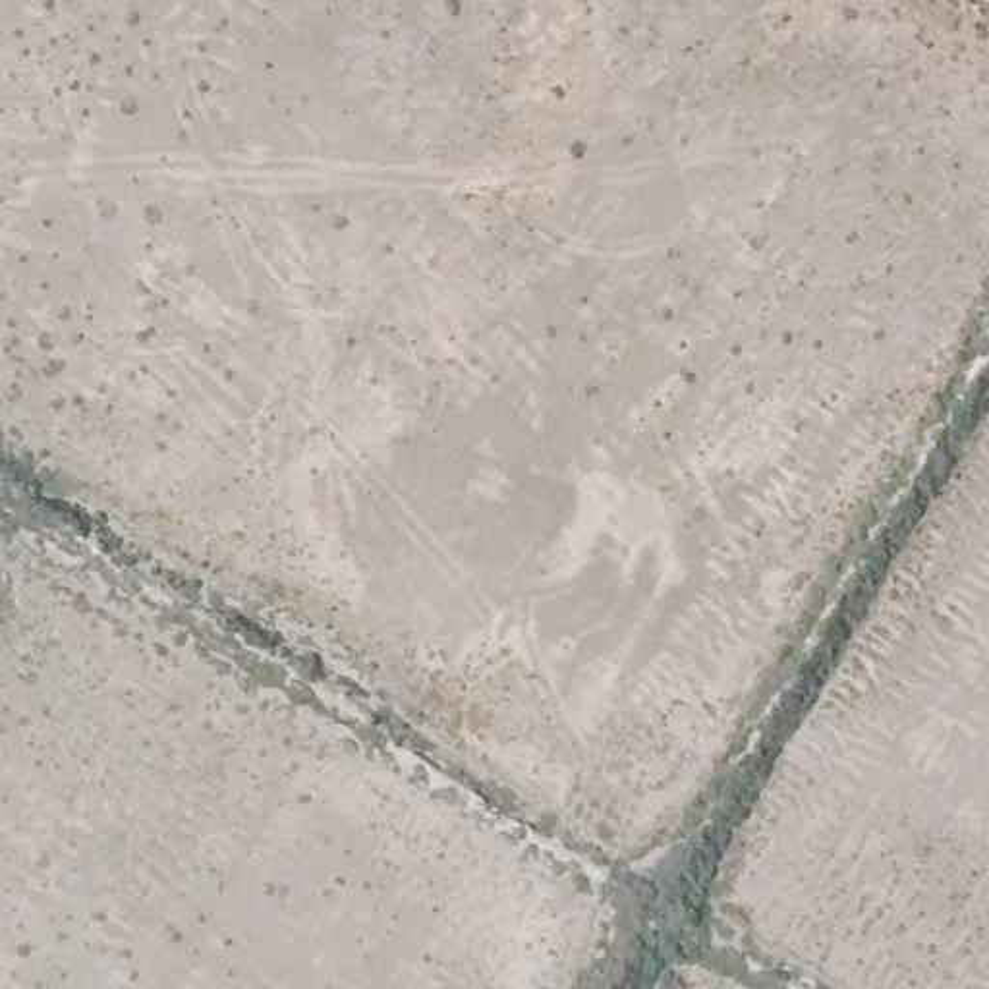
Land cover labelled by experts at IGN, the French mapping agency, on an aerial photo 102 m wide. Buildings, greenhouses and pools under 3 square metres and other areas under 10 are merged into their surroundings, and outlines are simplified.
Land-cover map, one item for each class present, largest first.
<instances>
[{"label":"pervious surface","instance_id":"1","mask_svg":"<svg viewBox=\"0 0 989 989\"><path fill-rule=\"evenodd\" d=\"M989 305V0H0V448L8 456L31 452V464L42 475L50 498H66L89 514H108L112 533L135 545L139 552V564L124 568L112 560V552L97 545V537H85L66 522L35 533L19 529L15 537H0V989H572L579 970L603 958L599 927L614 919V904L603 900L607 869L595 865L587 854L564 850L560 838L549 834L502 842V834L514 831V819L491 811L471 788L444 773L456 761L467 765L479 780L510 788L533 819L552 811L583 842H595L614 858L637 846L641 834L653 827H680L684 807L711 780L715 757L730 742L738 715L749 707L761 672L773 664L780 649L777 626H792L807 603L804 591L792 587V576L819 572L831 552L842 549L850 525L838 518V510L865 502V495L889 475L881 467V452H904L912 425L935 402V390L947 382L966 321ZM158 564L220 591L228 607L259 618L267 630H278L297 653H321L325 668L348 676L340 692L317 684L321 703L363 722H371L375 711H394L402 722H410V730L425 734L437 746V765L429 769V761L413 757V749L402 746H367L363 734L332 726L309 707L290 703V695H282L278 688L247 692L236 676H220L216 668H209L193 645H178L174 626H158V614L174 607V591L155 579ZM746 854L730 896L734 904H746L753 912L757 947L780 958V966L800 970V977H792L788 989H989V429L977 425L970 433L954 479L927 506L919 529L908 537V549L892 560L881 595L869 607V618L854 630L838 668L827 676L815 707L788 738L757 807L738 831ZM676 970L684 974L688 989H742L722 974H711L695 962H680Z\"/></svg>","mask_w":989,"mask_h":989},{"label":"brushwood","instance_id":"2","mask_svg":"<svg viewBox=\"0 0 989 989\"><path fill-rule=\"evenodd\" d=\"M977 425L989 429V305L966 321L947 382L935 390V402L912 425L904 452H881V467L889 475L865 495V502L838 510V518L850 525L842 549L831 552L819 572L792 576V587L804 591L807 603L792 626H777L780 649L773 664L761 672L749 707L738 715L730 742L715 757L711 780L684 807L680 827H653L641 834L637 846L614 858L595 842H583L552 811L533 819L510 788L479 780L467 765L456 761L444 773L471 788L491 811L514 819V831L502 834V842L549 834L560 838L564 850L587 854L595 865L607 869L603 900L614 904V919L599 927L603 958L579 970L572 989H688L684 974L676 970L680 962H695L711 974H722L742 989H788L792 977H800V970L780 966V958L757 947L753 912L746 904H734L730 896L746 854L738 831L757 807L788 738L815 707L827 676L838 668L854 630L869 618V607L881 595L892 560L908 549V537L919 529L927 506L954 479L970 433ZM66 522L85 537H97V545L112 552V560L124 568L139 564V552L135 545L112 533L108 514H89L66 498H50L42 475L31 464V452L8 456L0 448V537H15L19 529L35 533ZM155 579L174 591V607L158 614V626H174L178 645H193L209 668H216L220 676H236L247 692L278 688L282 695H290V703L309 707L332 726L363 734L367 746H402L413 749V757L429 761V769L437 765V746L425 734L410 730V722H402L394 711H375L371 722H363L321 703L317 684L340 692L348 676L325 668L321 653H297L278 630H267L259 618L228 607L220 591L158 564Z\"/></svg>","mask_w":989,"mask_h":989}]
</instances>
